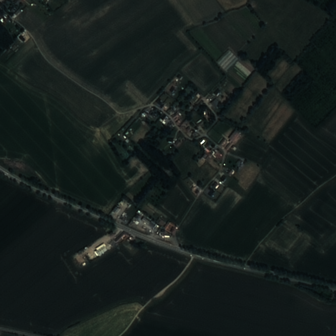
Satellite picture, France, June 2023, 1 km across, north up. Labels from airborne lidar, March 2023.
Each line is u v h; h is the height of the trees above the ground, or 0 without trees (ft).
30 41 0
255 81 0
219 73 0
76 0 0
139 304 0
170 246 0
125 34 0
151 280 0
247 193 0
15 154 0
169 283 0
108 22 0
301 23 0
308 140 0
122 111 0
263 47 0
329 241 0
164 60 0
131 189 0
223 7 0
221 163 0
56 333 0
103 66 0
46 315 0
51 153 0
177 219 0
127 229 0
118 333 0
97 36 0
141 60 0
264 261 0
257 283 0
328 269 0
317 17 0
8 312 0
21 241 0
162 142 0
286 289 0
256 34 0
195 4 0
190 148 0
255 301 0
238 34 0
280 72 0
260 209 0
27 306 0
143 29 0
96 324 0
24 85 0
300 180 0
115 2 0
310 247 0
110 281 0
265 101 0
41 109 0
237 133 0
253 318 0
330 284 54
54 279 0
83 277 0
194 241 0
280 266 0
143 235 0
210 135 0
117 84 0
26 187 52
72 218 0
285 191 0
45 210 0
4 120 0
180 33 0
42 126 0
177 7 0
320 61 0
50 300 0
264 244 0
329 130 0
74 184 0
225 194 0
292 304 0
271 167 0
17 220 0
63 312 0
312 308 0
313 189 0
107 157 0
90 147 0
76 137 0
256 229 0
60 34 0
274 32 0
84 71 0
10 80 0
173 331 0
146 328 0
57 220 0
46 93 0
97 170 0
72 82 0
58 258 0
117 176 0
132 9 0
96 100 0
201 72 0
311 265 0
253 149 0
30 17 0
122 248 0
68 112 0
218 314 0
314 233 0
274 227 0
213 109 0
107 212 0
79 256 0
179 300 0
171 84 0
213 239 0
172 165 99
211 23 0
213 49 0
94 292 0
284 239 0
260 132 0
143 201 47
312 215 0
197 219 0
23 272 0
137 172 0
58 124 0
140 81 0
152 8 0
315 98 0
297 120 0
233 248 0
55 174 0
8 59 0
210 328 0
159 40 0
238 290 0
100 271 0
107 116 0
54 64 0
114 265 0
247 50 0
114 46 0
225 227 0
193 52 0
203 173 0
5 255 0
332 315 0
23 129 0
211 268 0
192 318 0
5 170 0
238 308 0
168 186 84
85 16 0
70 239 0
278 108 0
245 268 0
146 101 0
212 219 0
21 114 0
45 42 0
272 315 0
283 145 0
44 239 0
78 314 0
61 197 43
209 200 0
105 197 0
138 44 0
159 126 0
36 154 0
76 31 0
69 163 0
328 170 0
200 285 0
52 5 0
